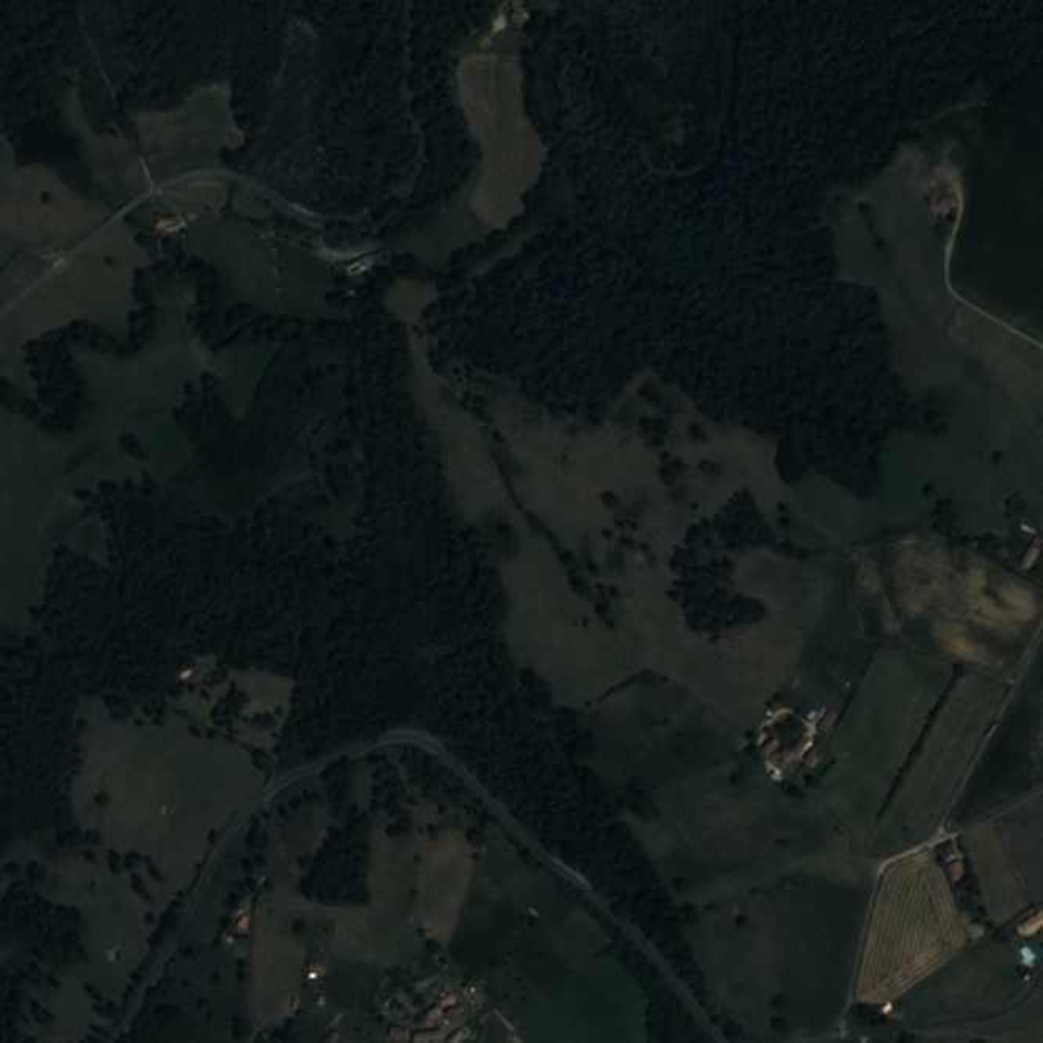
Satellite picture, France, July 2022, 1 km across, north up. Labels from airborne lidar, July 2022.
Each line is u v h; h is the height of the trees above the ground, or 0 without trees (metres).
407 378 7
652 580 0
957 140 0
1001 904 0
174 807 0
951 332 0
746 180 17
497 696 30
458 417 0
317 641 27
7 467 0
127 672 19
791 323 13
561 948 0
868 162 13
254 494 0
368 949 0
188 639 13
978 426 0
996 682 0
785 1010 7
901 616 0
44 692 17
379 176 9
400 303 0
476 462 0
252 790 0
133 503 6
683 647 0
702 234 16
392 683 13
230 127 0
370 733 19
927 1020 0
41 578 0
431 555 16
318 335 10
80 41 27
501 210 0
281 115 0
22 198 0
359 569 19
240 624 14
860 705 0
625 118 24
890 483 0
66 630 19
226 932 11
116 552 12
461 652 26
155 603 20
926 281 0
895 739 0
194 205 0
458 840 0
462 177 11
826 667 0
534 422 0
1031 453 0
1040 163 0
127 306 0
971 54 26
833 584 0
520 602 0
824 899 0
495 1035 0
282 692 0
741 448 0
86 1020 0
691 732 0
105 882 0
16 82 18
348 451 17
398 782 7
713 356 29
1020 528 0
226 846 0
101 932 0
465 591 22
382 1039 0
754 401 21
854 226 0
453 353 16
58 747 15
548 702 35
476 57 0
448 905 0
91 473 0
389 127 20
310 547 16
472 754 27
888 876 0
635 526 11
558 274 10
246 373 0
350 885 23
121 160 0
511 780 16
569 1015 0
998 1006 0
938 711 7
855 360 19
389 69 27
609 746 0
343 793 7
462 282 17
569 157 6
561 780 29
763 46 20
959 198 0
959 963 0
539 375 7
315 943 0
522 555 0
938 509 6
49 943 20
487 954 0
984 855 0
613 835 22
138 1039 14
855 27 16
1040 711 0
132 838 0
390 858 0
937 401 0
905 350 0
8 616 0
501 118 0
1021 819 0
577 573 14
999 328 0
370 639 25
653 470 0
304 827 0
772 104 18
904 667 0
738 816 0
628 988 0
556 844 16
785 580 0
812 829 0
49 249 0
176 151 0
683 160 12
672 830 0
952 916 0
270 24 16
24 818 16
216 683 9
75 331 18
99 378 0
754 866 0
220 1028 0
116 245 0
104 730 0
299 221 8
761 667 0
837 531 0
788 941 0
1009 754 0
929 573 0
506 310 22
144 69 26
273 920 0
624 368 17
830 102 23
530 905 0
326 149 16
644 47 12
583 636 0
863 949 0
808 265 11
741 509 9
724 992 0
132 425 0
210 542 16
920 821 0
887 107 21
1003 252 0
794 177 16
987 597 0
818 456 32
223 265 0
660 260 22
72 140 10
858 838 0
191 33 17
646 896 22
